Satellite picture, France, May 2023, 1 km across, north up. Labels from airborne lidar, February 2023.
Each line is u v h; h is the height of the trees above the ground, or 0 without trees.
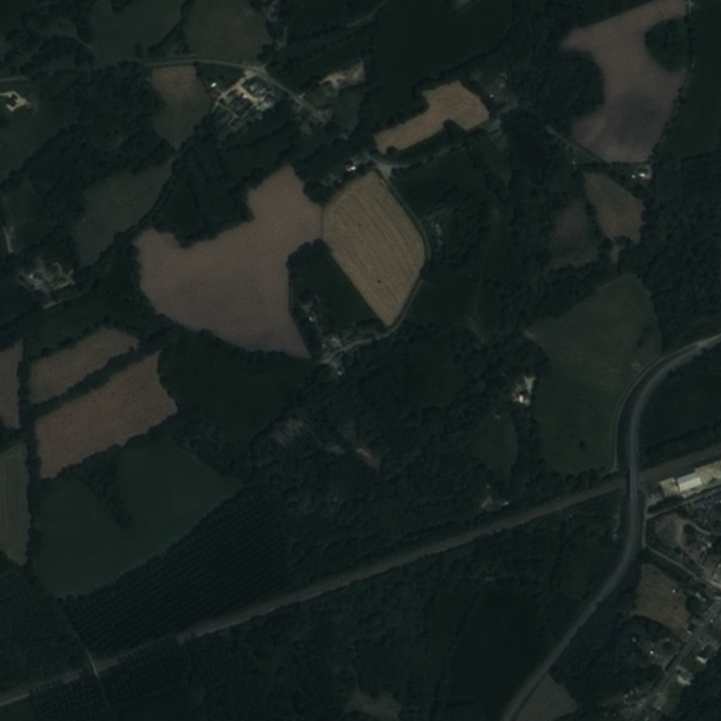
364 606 24
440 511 23
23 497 0
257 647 31
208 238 13
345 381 11
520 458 11
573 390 0
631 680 16
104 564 0
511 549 20
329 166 0
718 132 0
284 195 0
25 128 0
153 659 31
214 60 0
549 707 0
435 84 9
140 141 15
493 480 12
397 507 21
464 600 0
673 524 0
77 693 25
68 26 0
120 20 0
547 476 15
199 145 10
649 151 0
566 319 0
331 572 8
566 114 16
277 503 16
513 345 14
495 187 17
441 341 0
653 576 0
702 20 0
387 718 0
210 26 0
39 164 16
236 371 0
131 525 14
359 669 16
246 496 18
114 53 0
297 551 10
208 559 33
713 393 0
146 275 0
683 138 0
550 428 0
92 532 0
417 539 17
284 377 0
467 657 0
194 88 0
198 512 0
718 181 15
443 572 20
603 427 0
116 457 11
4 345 16
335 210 0
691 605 14
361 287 0
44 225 0
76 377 0
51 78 7
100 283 15
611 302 0
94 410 0
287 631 12
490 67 0
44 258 0
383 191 0
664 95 0
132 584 32
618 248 0
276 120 0
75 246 9
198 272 0
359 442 15
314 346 14
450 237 0
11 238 0
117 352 0
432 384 0
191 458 0
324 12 0
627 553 0
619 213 0
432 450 24
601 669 17
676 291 22
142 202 0
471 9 0
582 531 11
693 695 16
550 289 15
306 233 0
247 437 0
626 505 0
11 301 0
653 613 0
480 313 0
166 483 0
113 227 0
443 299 0
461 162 0
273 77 0
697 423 0
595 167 13
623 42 0
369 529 22
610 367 0
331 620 25
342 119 0
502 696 0
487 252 0
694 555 0
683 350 0
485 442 0
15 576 7
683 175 11
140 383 0
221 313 0
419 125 0
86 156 17
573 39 0
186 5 8
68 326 0
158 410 0
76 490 0
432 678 0
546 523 8
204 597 32
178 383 0
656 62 0
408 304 0
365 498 18
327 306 9
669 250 10
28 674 11
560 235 0
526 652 0
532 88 14
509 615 0
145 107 7
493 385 23
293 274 9
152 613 34
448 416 6
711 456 0
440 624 0
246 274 0
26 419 15
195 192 11
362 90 13
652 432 0
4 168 0
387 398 32
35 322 18
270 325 0
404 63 0
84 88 24
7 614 10
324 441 11
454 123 10
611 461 0
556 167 14
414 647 11
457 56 0
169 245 0
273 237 0
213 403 0
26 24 22
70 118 0
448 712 18
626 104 0
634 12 0
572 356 0
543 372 17
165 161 12
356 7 20
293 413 15
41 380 0
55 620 13
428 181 0
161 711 15
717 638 0
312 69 0
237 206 12
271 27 19
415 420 16
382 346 13
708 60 0
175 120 0
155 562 12
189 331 0
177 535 0
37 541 13
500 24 0
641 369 0
